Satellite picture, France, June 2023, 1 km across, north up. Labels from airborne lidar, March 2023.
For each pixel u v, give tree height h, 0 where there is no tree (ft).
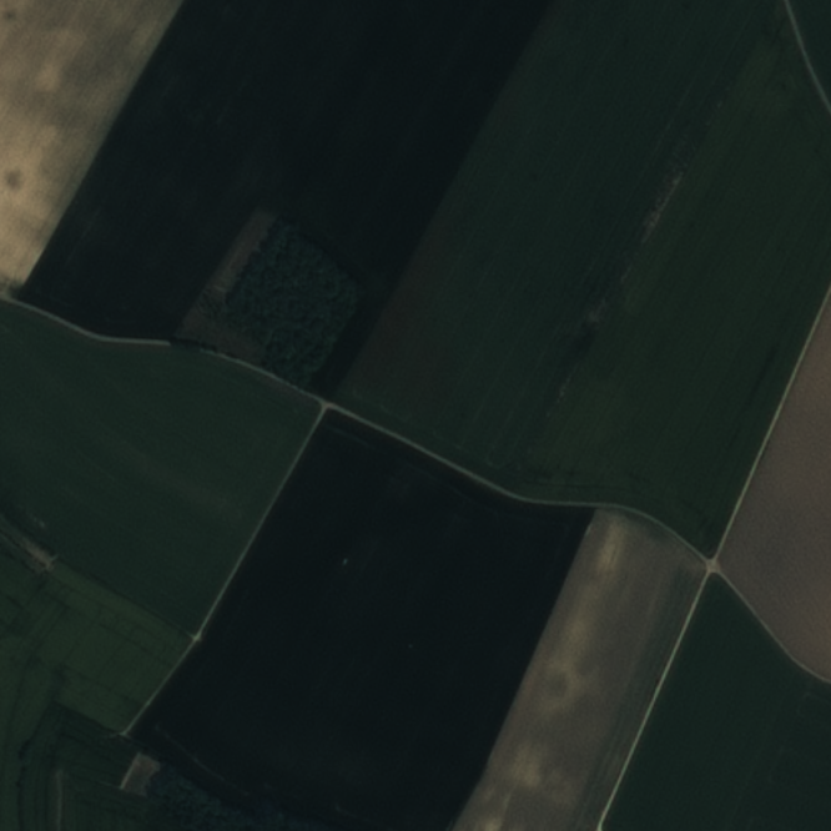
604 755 0
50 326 0
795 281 0
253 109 0
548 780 0
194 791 66
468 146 0
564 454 0
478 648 0
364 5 0
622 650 0
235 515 0
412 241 0
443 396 0
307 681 0
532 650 0
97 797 0
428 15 0
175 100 0
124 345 0
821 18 0
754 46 0
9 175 0
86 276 0
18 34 0
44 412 0
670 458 0
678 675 0
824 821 0
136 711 0
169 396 0
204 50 0
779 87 0
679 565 0
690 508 0
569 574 0
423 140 0
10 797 0
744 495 0
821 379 0
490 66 0
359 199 0
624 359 0
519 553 0
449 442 0
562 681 0
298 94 0
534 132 0
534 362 0
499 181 0
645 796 0
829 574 0
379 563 0
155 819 0
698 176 0
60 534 0
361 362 0
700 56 0
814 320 0
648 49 0
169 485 0
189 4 0
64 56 0
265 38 0
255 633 0
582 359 0
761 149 0
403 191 0
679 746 0
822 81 0
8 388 0
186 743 0
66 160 0
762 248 0
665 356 0
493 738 0
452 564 0
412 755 0
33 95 0
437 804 0
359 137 0
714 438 0
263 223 0
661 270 0
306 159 0
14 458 0
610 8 0
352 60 0
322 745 0
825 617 0
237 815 76
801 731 0
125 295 0
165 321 0
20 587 0
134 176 0
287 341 38
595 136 0
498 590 0
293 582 0
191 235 0
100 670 0
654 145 0
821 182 0
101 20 0
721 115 0
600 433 0
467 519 0
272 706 0
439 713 0
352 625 0
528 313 0
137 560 0
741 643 0
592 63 0
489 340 0
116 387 0
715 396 0
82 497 0
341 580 0
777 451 0
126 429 0
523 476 0
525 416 0
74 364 0
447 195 0
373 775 0
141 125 0
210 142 0
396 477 0
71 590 0
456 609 0
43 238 0
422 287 0
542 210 0
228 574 0
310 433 0
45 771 0
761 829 0
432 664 0
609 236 0
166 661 0
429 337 0
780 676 0
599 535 0
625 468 0
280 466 0
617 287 0
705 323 0
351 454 0
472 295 0
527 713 0
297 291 58
